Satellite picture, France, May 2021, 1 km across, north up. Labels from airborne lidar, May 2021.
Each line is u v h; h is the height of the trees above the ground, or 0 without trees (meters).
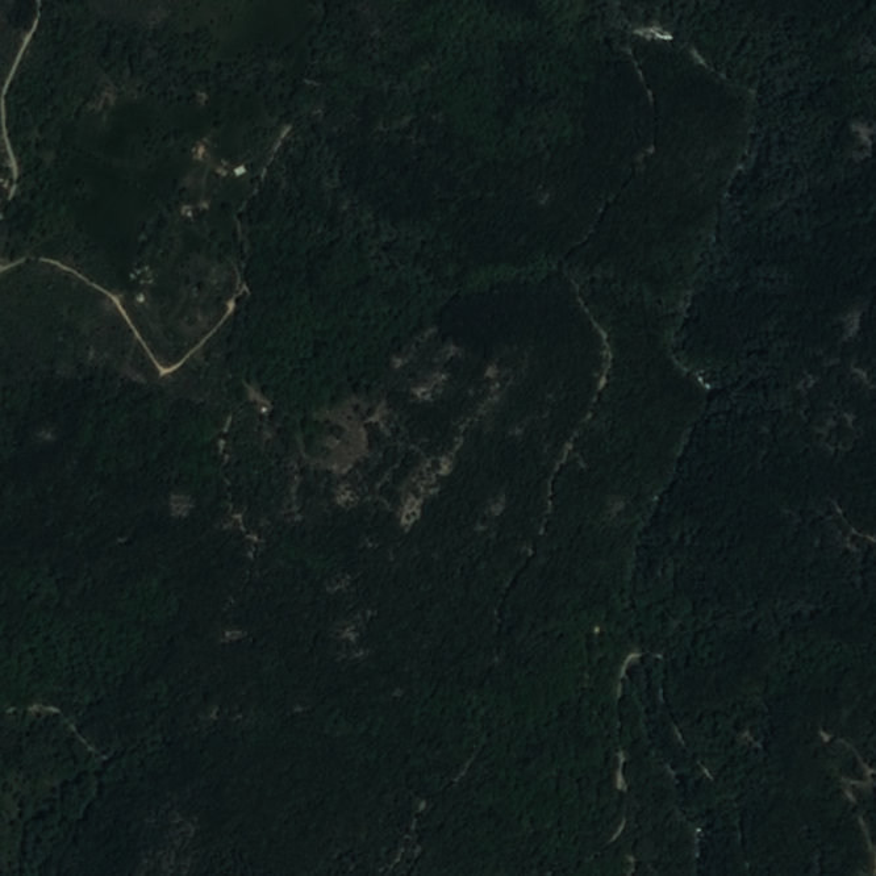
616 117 18
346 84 9
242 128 0
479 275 20
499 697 21
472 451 10
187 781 8
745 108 8
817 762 18
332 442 0
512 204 11
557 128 16
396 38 6
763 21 20
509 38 21
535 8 20
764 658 15
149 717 17
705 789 21
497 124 20
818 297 13
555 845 13
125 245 0
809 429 6
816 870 25
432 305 20
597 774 15
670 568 18
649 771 16
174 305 0
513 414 11
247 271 9
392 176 17
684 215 13
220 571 13
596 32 24
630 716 20
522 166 16
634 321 15
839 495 14
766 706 13
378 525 10
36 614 18
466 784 9
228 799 10
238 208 6
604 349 7
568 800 16
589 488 19
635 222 19
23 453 10
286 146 7
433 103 15
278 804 12
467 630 13
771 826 18
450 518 10
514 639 18
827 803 18
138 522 14
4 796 13
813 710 16
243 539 10
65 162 9
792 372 10
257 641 13
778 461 12
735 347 19
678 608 19
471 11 27
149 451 9
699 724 12
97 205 0
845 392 9
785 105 21
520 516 7
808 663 18
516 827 15
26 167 7
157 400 8
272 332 23
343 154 12
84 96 7
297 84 9
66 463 7
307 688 8
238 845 11
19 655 22
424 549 8
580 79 23
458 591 15
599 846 7
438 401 6
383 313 23
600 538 12
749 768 15
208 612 14
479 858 19
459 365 8
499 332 14
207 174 0
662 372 17
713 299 18
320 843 12
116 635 19
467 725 18
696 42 13
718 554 8
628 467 14
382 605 9
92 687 20
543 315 14
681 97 15
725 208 21
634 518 21
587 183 14
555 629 17
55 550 18
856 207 20
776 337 15
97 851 8
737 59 24
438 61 18
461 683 13
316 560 9
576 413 7
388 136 7
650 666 21
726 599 20
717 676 16
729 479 12
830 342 9
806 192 14
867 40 8
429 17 16
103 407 12
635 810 16
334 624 6
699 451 9
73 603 20
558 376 11
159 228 8
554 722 18
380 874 6
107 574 21
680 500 16
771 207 21
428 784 13
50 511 18
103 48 7
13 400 7
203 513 11
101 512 17
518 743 18
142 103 0
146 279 0
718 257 21
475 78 18
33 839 18
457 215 22
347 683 12
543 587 21
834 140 8
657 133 15
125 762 20
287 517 6
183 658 15
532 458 12
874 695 7
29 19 13
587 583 13
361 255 18
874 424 8
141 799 15
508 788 18
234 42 0
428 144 8
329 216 12
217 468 7
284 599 10
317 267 13
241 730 7
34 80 8
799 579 15
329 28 11
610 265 21
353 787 14
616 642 13
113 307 0
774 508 17
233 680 13
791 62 22
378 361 17
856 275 9
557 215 13
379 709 13
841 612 13
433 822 13
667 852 8
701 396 13
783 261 22
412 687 12
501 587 20
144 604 16
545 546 19
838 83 19
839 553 12
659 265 15
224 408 6
